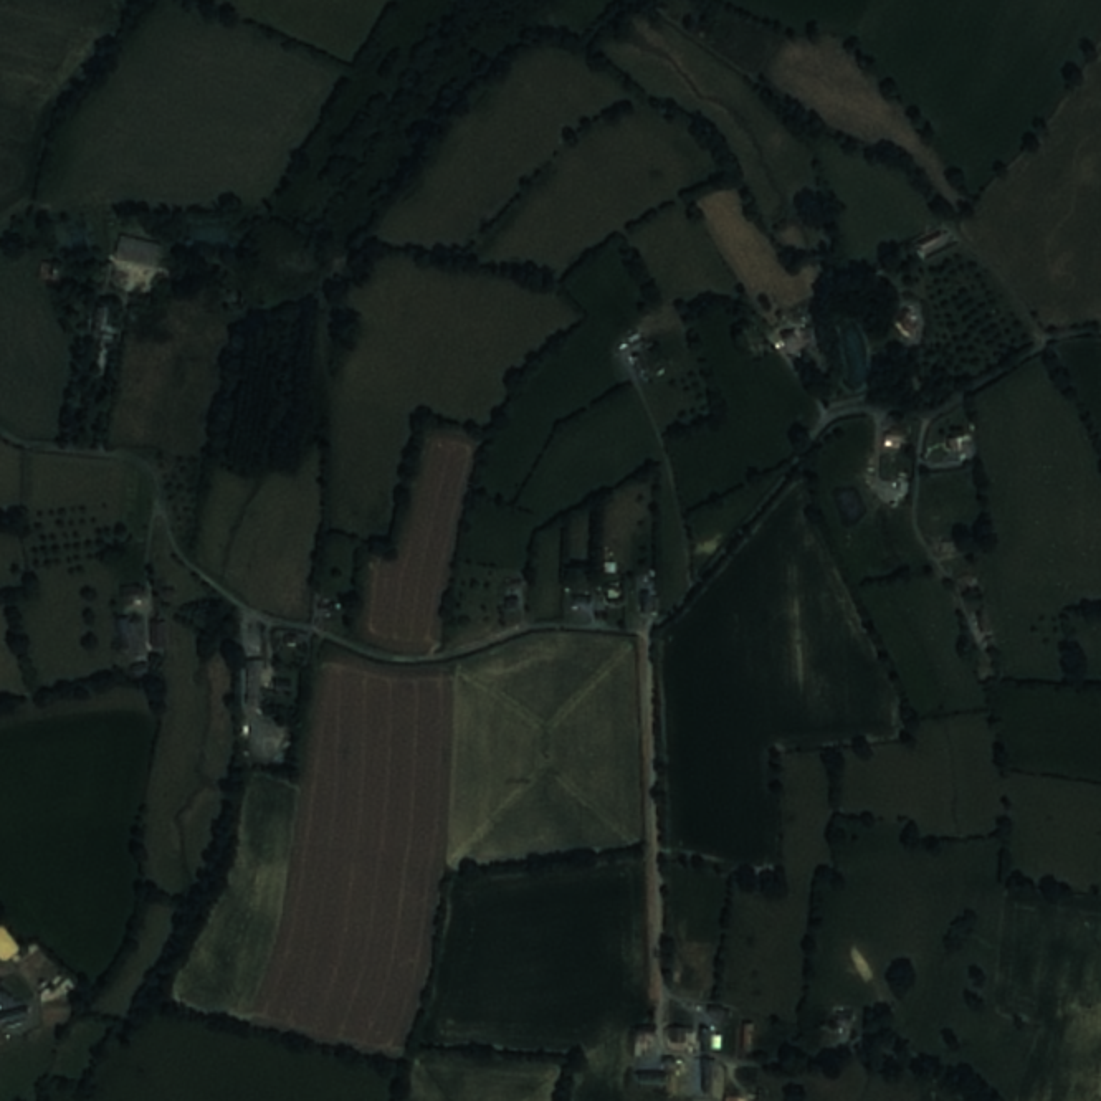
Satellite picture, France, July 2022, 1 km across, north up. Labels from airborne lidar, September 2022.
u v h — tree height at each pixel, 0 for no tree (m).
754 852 0
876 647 6
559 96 0
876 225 0
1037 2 0
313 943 0
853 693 0
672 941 12
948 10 0
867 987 0
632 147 0
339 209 9
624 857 9
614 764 0
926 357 7
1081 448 0
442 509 0
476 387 0
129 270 0
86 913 0
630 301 0
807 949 14
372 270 9
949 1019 0
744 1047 0
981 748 0
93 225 0
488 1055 14
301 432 30
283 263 0
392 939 0
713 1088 0
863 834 0
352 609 16
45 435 0
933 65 0
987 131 0
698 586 8
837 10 0
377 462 0
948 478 0
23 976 0
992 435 0
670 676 0
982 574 0
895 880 0
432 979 6
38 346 0
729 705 0
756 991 0
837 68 0
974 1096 21
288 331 16
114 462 0
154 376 0
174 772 0
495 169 0
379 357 0
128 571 0
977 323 7
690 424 8
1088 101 0
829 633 0
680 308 13
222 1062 0
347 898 0
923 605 0
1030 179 0
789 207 0
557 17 0
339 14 0
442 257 17
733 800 0
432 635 0
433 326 0
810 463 21
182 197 0
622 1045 0
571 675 0
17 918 0
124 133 0
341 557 0
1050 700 0
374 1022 0
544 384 0
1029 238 0
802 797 0
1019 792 0
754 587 0
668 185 0
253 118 0
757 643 0
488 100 0
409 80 11
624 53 0
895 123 0
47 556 8
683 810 0
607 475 0
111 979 10
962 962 0
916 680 0
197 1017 15
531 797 0
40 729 0
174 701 0
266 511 0
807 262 12
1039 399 0
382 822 0
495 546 0
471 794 0
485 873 13
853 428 0
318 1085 0
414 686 0
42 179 7
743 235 0
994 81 0
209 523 0
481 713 0
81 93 15
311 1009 0
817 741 0
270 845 0
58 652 0
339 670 0
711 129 20
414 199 0
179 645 0
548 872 13
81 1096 10
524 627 0
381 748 0
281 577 0
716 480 0
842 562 7
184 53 0
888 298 17
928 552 0
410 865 0
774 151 0
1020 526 0
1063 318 0
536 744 0
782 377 0
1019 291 0
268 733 0
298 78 0
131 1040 17
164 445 0
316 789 0
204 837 0
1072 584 0
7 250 19
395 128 5
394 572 0
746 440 0
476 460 7
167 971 13
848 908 0
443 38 16
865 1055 15
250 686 0
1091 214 0
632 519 0
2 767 0
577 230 0
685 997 0
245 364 30
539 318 0
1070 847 0
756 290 0
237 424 31
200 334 0
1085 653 14
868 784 0
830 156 0
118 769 0
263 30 8
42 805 0
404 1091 14
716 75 0
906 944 0
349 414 0
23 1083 0
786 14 0
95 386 11
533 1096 0
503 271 12
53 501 0
